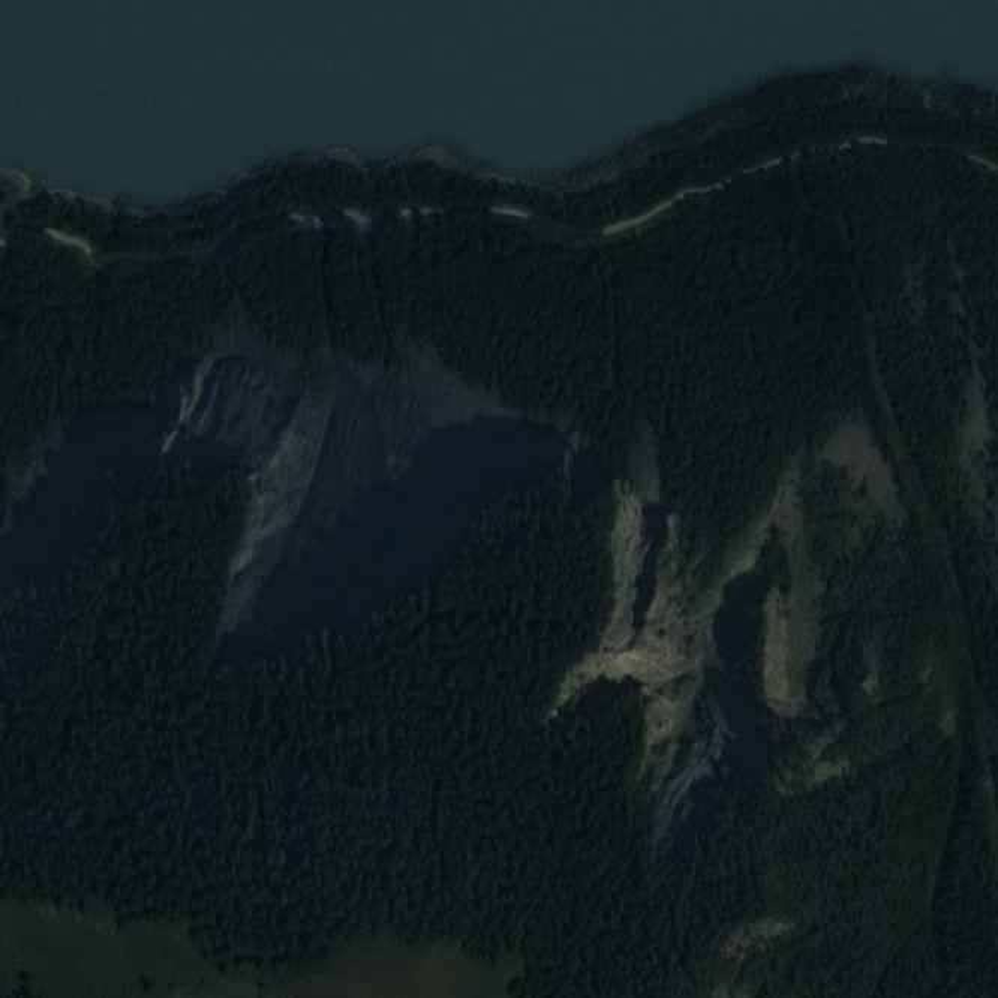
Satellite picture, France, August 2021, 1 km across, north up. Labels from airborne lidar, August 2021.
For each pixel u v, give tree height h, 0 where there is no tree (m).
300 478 0
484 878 21
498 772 8
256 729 17
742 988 7
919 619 14
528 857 13
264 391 0
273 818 25
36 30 0
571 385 16
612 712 7
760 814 17
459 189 18
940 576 9
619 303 16
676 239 8
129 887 11
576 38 0
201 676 18
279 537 0
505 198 13
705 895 12
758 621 8
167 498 18
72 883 17
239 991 0
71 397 12
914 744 22
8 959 0
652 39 0
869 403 13
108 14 0
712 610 0
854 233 11
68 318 19
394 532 0
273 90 0
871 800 6
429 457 0
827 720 6
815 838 27
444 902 20
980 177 18
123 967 0
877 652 5
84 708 15
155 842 25
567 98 0
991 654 12
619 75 0
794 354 20
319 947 15
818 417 13
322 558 0
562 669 13
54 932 0
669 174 7
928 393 10
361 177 16
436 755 23
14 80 0
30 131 0
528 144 0
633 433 7
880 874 20
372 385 0
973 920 16
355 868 26
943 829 6
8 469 8
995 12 0
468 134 0
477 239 16
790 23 0
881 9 0
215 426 0
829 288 16
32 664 15
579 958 20
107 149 0
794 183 14
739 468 11
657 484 0
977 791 6
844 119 15
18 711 22
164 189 0
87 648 20
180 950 0
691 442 17
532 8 0
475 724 9
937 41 0
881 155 17
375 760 19
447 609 24
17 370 19
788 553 8
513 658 16
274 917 20
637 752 15
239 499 19
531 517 18
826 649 9
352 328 13
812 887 11
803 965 19
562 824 18
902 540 7
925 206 13
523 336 8
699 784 0
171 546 24
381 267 18
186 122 0
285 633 0
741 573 0
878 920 24
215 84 0
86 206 19
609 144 0
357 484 0
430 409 0
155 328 21
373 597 0
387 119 0
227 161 0
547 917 18
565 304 14
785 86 11
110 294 25
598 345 9
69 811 25
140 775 18
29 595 10
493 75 0
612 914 17
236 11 0
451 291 15
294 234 21
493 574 28
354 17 0
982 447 0
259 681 14
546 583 21
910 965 13
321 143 0
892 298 12
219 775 28
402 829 20
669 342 17
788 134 10
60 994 0
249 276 14
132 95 0
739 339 17
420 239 17
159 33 0
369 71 0
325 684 21
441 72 0
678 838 8
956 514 6
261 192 19
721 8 0
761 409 20
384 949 0
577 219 9
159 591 25
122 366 18
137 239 21
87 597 16
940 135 23
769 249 17
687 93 0
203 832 9
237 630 0
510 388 10
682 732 0
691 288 12
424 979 0
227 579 12
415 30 0
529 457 0
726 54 0
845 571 10
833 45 0
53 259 18
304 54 0
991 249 21
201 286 12
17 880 18
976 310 11
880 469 0
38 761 19
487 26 0
